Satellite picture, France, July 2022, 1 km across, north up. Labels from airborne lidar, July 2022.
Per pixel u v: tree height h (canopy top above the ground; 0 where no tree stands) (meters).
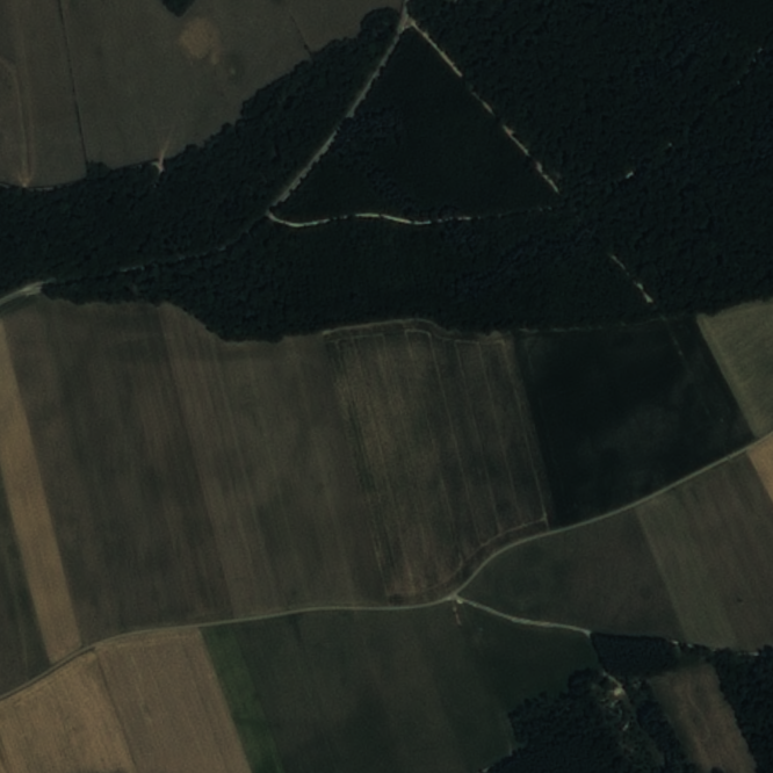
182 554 0
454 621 0
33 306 0
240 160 19
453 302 18
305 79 14
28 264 16
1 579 0
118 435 0
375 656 0
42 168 0
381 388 0
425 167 12
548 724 17
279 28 0
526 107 19
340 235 9
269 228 16
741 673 7
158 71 0
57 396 0
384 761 0
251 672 0
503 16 16
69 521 0
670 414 0
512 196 12
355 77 15
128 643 0
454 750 0
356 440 0
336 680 0
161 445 0
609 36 19
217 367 0
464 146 10
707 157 23
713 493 0
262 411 0
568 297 15
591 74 22
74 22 0
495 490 0
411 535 0
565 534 0
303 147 20
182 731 0
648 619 0
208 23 0
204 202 17
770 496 0
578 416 0
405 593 0
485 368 0
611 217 22
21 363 0
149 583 0
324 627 0
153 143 0
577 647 0
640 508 0
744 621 0
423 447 0
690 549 0
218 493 0
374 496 0
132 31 0
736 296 21
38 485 0
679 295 19
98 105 0
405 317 13
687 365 0
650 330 0
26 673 0
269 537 0
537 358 0
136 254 23
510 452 0
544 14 22
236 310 25
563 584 0
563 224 17
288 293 16
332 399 0
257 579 0
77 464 0
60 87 0
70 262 19
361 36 11
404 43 11
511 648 0
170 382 0
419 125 12
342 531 0
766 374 0
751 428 0
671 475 0
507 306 12
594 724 19
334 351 0
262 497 0
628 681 7
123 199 20
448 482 0
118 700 0
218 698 0
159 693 0
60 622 0
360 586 0
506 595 0
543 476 0
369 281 7
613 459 0
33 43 0
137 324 0
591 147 20
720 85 19
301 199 12
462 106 11
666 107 21
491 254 13
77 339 0
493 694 0
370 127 21
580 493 0
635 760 7
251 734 0
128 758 0
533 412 0
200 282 18
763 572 0
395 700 0
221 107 0
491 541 0
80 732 0
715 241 22
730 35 20
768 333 0
